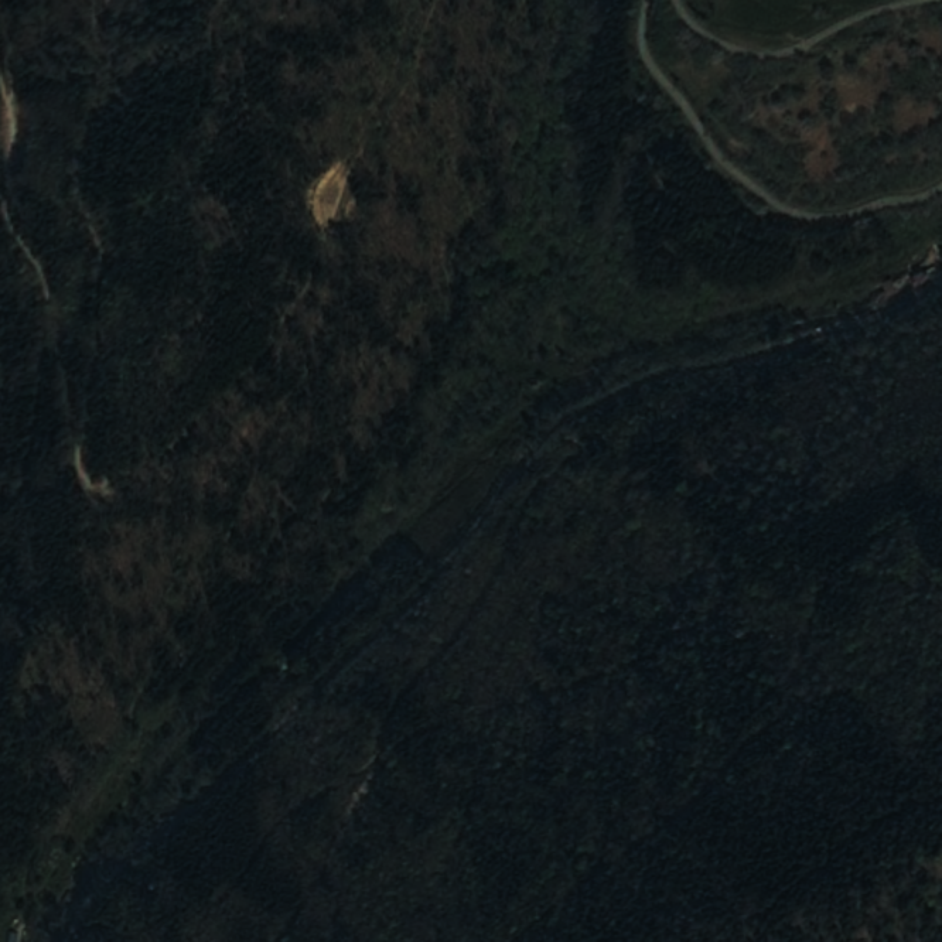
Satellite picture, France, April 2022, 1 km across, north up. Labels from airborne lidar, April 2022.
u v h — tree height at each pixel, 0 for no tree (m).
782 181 7
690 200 26
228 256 23
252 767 21
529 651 20
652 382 13
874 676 24
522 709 19
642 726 22
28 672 6
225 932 23
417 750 12
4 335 23
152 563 16
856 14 0
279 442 19
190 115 16
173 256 15
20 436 19
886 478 19
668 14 13
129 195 9
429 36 11
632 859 11
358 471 28
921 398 14
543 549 23
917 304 20
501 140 19
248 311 27
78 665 18
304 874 23
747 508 17
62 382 17
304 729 22
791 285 16
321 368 25
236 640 30
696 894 11
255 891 26
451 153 14
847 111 0
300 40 23
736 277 20
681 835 19
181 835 26
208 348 24
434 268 14
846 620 22
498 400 21
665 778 17
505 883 18
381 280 22
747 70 19
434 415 22
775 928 14
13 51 12
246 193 26
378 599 27
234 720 32
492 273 37
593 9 30
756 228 28
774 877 16
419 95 21
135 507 27
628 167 23
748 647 22
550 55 28
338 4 17
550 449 18
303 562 22
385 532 28
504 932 13
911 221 14
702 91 0
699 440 13
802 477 18
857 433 16
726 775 10
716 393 15
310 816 19
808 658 23
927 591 26
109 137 8
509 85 28
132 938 27
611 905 15
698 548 14
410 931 20
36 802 32
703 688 20
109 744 16
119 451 14
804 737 15
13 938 0
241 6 17
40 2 21
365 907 22
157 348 23
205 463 25
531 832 19
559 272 24
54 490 26
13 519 17
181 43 9
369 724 19
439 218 20
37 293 17
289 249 25
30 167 19
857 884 19
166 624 17
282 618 27
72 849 26
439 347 26
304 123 24
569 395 6
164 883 27
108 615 17
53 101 16
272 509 16
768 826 23
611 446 26
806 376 17
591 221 21
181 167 22
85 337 21
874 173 14
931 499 23
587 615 19
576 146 25
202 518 19
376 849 13
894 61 10
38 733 38
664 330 23
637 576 22
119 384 18
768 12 0
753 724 14
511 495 18
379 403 20
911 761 16
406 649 23
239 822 28
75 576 25
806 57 13
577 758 20
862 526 22
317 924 20
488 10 23
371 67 22
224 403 21
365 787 0
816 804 19
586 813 13
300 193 23
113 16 13
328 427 19
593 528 20
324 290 18
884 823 21
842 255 19
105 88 19
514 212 24
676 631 14
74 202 11
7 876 25
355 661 20
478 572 18
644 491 19
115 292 17
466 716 17
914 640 24
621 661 8
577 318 25
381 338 26
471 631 21
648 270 22
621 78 25
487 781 16
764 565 17
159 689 27
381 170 20
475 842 19
